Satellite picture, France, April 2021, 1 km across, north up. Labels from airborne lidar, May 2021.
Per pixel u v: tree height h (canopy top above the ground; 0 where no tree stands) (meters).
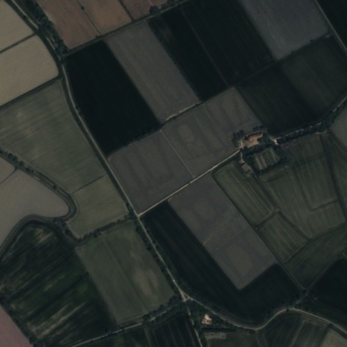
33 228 0
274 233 0
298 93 0
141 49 0
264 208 0
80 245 0
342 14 0
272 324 0
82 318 0
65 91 0
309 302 0
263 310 0
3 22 0
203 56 0
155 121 0
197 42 0
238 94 0
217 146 0
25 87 0
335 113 8
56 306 0
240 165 6
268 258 0
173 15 0
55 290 0
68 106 0
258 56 0
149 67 0
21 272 0
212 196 0
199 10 0
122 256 0
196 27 0
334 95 0
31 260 0
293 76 0
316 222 0
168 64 0
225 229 0
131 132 0
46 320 0
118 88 0
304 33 0
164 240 0
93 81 0
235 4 0
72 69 0
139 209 0
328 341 0
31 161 0
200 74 0
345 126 0
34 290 0
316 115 0
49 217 0
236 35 0
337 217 0
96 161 0
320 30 0
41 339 0
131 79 0
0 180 0
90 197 0
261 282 0
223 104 0
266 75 0
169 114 0
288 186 0
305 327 0
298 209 0
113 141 0
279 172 0
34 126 0
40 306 0
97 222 0
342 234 0
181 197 0
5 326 0
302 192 0
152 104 0
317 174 0
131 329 0
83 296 0
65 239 0
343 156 0
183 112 0
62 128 0
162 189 0
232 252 0
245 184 0
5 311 0
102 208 0
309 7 0
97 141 0
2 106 0
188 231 0
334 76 0
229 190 0
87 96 0
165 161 0
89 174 0
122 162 0
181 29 0
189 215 0
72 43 0
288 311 8
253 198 0
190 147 0
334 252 0
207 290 0
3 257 0
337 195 0
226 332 7
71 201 0
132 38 0
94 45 0
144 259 0
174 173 0
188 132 0
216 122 0
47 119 0
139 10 0
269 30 0
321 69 0
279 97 0
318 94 0
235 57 0
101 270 0
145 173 0
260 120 0
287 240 0
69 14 0
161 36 0
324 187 0
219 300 0
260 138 10
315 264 0
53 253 0
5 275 0
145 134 15
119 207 0
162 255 10
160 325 0
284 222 0
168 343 0
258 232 0
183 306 16
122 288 0
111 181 0
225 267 0
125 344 0
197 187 0
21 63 0
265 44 0
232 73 0
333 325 9
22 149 0
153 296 0
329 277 0
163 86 0
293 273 0
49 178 0
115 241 0
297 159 0
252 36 0
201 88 0
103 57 0
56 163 0
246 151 14
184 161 0
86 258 0
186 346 0
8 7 0
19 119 0
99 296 0
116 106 0
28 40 0
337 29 0
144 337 0
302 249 0
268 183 0
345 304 0
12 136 0
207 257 0
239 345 0
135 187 0
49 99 0
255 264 0
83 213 0
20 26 0
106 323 0
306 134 14
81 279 0
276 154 17
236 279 0
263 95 0
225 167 0
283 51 0
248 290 0
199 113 0
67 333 0
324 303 0
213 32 0
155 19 0
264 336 0
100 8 0
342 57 0
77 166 0
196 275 0
